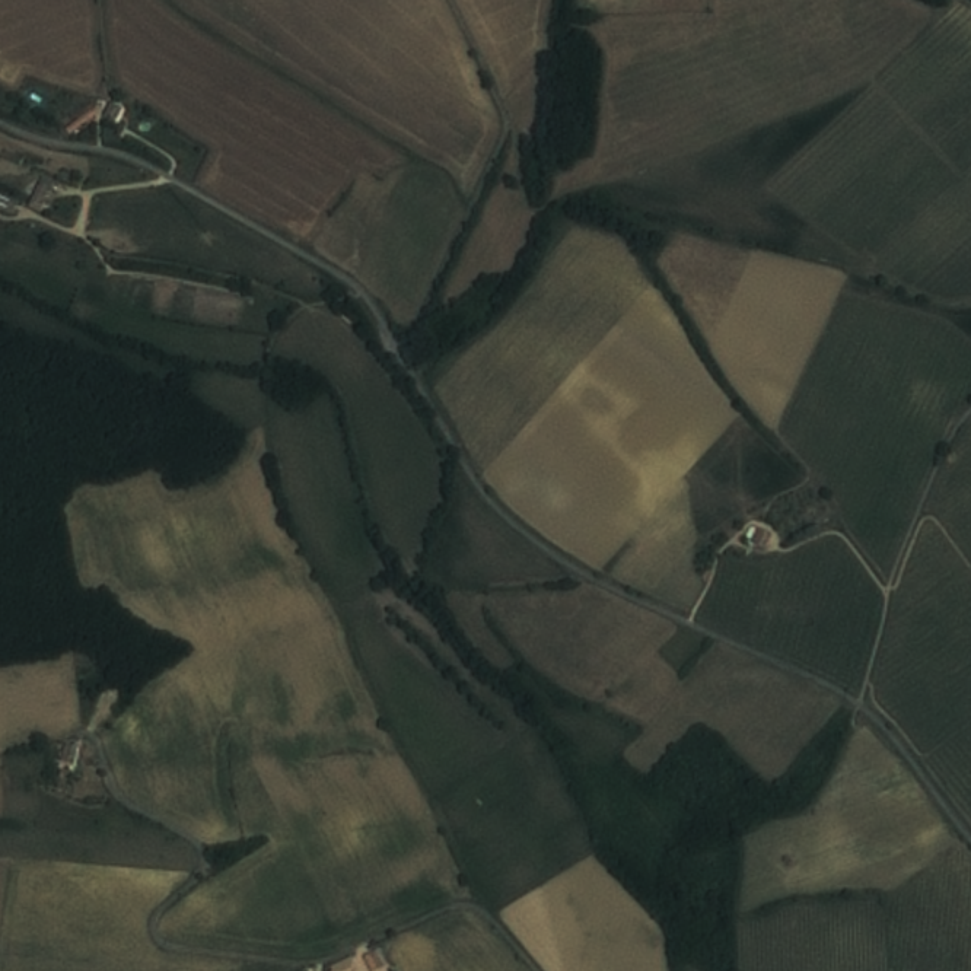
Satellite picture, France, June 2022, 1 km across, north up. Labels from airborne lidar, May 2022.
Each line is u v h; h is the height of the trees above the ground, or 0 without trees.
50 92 0
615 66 0
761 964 0
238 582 0
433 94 0
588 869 0
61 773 8
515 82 0
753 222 0
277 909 0
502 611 0
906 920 0
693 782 6
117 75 0
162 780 0
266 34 0
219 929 0
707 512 0
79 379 19
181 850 0
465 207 0
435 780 0
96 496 0
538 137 23
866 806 0
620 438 0
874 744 0
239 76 0
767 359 0
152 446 16
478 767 0
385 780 0
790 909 0
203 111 0
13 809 0
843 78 0
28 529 15
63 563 14
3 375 20
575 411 0
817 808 0
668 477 0
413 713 0
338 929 0
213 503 0
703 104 0
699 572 10
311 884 0
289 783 0
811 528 17
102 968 0
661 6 0
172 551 0
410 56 0
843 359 0
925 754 0
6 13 0
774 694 0
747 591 0
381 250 0
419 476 0
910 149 0
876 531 0
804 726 0
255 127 0
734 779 8
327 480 0
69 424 21
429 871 0
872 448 0
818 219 0
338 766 0
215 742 0
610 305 0
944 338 0
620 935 0
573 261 0
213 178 0
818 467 0
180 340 0
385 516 0
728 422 0
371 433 0
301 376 12
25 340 18
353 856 0
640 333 0
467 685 16
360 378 0
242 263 0
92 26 0
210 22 0
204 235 0
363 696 0
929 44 0
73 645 16
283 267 0
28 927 0
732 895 8
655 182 0
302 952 0
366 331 16
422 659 0
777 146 0
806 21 0
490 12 0
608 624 0
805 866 0
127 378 20
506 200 0
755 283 0
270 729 0
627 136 0
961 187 0
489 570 0
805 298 0
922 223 0
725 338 0
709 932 6
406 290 0
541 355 0
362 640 0
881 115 0
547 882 0
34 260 0
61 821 0
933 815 0
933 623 0
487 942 0
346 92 0
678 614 0
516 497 0
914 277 0
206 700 0
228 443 15
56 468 14
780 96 0
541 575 0
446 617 23
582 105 18
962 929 0
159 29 0
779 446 0
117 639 13
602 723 0
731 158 0
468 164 0
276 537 0
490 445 0
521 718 9
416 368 19
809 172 0
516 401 0
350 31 0
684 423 0
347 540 0
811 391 0
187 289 0
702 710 0
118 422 24
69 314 11
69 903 0
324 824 0
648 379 0
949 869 0
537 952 0
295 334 0
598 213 16
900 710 0
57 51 0
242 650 0
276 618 0
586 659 0
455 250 12
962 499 0
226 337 0
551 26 8
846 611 0
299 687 0
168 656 14
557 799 0
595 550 0
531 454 0
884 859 0
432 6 0
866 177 0
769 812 8
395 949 0
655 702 0
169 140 0
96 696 7
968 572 0
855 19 0
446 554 0
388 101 0
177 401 23
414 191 0
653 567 0
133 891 0
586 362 0
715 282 0
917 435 0
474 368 0
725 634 0
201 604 0
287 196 0
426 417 12
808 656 0
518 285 17
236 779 0
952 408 0
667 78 0
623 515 0
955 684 0
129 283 0
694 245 0
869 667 0
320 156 0
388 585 26
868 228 0
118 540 0
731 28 0
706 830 10
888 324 0
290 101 0
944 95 0
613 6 0
